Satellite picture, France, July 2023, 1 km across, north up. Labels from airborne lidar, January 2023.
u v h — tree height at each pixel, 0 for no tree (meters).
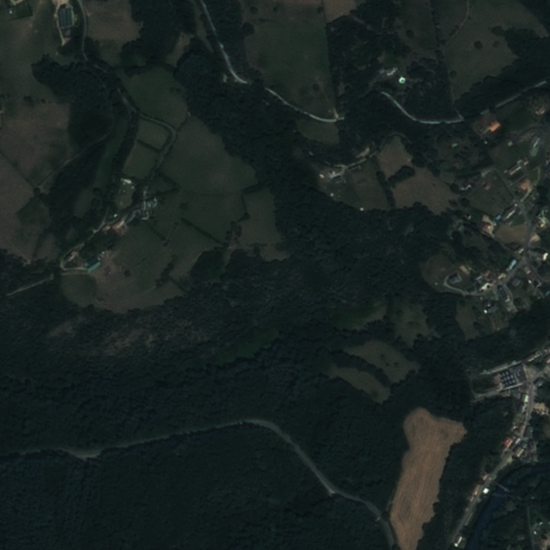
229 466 19
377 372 16
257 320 27
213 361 18
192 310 20
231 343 34
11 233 0
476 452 20
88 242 5
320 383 20
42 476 28
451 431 0
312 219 26
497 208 0
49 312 13
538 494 23
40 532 30
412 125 11
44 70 11
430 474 0
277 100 15
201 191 0
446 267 0
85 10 0
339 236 15
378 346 0
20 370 26
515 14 0
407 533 0
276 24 0
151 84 0
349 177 0
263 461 14
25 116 0
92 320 11
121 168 22
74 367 19
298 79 0
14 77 0
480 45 11
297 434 26
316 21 0
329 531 17
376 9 16
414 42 0
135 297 0
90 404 19
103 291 0
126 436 24
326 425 9
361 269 39
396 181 16
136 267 0
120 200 0
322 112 0
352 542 19
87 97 17
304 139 12
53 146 0
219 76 22
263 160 16
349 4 0
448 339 20
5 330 16
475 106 10
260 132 10
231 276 17
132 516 24
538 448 9
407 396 19
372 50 7
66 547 26
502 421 11
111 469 20
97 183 0
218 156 0
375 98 23
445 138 11
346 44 8
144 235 0
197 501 18
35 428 17
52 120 0
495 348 12
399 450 20
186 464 20
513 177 0
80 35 7
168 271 10
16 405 12
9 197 0
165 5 23
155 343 21
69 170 11
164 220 0
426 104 15
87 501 34
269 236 0
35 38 0
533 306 8
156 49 28
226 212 0
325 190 0
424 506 0
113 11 0
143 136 0
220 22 8
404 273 13
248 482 17
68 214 9
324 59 0
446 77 12
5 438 16
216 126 14
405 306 0
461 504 6
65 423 23
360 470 30
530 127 0
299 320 27
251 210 0
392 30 13
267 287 21
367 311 0
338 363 18
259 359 28
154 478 25
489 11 0
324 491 20
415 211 18
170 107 0
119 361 10
